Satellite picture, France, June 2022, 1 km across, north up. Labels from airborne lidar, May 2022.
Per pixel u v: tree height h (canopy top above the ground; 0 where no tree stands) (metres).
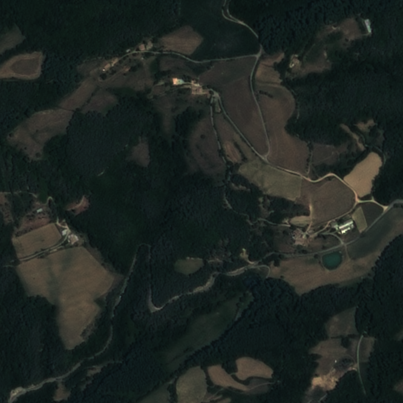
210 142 0
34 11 22
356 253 0
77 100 0
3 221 14
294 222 0
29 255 0
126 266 10
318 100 6
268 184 0
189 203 18
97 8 16
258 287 27
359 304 17
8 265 13
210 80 0
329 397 20
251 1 6
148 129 15
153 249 12
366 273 0
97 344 13
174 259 17
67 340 0
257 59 0
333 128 9
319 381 0
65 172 15
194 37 0
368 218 0
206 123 0
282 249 0
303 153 0
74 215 18
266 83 0
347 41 8
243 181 16
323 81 19
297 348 20
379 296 22
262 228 11
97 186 12
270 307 32
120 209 13
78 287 0
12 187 12
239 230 10
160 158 14
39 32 18
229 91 0
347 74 22
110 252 10
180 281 15
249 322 20
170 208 22
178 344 0
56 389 12
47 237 0
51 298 0
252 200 16
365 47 15
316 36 10
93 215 13
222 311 0
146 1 21
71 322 0
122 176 10
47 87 18
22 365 24
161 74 12
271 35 31
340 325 0
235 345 22
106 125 20
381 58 14
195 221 9
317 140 15
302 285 0
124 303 18
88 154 15
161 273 14
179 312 12
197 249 13
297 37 28
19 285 14
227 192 10
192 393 0
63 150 19
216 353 27
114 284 0
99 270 0
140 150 0
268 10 12
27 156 6
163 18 20
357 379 18
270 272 0
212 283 0
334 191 0
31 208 12
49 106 31
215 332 0
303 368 12
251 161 0
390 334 18
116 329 14
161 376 23
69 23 13
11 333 11
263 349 14
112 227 10
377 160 0
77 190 10
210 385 13
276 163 0
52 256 0
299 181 0
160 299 16
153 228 17
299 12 11
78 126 14
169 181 13
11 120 33
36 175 14
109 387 25
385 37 16
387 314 21
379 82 21
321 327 17
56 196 9
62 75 30
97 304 0
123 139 19
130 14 16
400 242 20
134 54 6
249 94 0
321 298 21
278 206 15
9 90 17
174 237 14
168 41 0
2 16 19
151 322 12
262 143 0
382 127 15
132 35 21
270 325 25
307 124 12
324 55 0
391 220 0
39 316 25
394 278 24
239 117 0
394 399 15
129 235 7
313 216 0
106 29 18
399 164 14
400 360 7
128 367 27
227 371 8
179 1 24
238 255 16
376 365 18
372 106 15
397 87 20
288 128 7
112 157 17
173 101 0
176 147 23
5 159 9
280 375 16
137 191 18
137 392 23
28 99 17
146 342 28
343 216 0
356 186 0
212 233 10
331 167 10
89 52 20
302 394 18
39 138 0
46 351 16
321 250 0
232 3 11
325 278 0
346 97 15
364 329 17
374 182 8
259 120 0
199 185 26
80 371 13
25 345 7
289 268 0
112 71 6
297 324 20
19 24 13
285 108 0
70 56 21
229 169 8
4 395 15
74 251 0
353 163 7
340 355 0
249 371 0
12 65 0
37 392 14
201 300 17
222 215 13
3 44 0
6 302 13
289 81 9
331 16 30
